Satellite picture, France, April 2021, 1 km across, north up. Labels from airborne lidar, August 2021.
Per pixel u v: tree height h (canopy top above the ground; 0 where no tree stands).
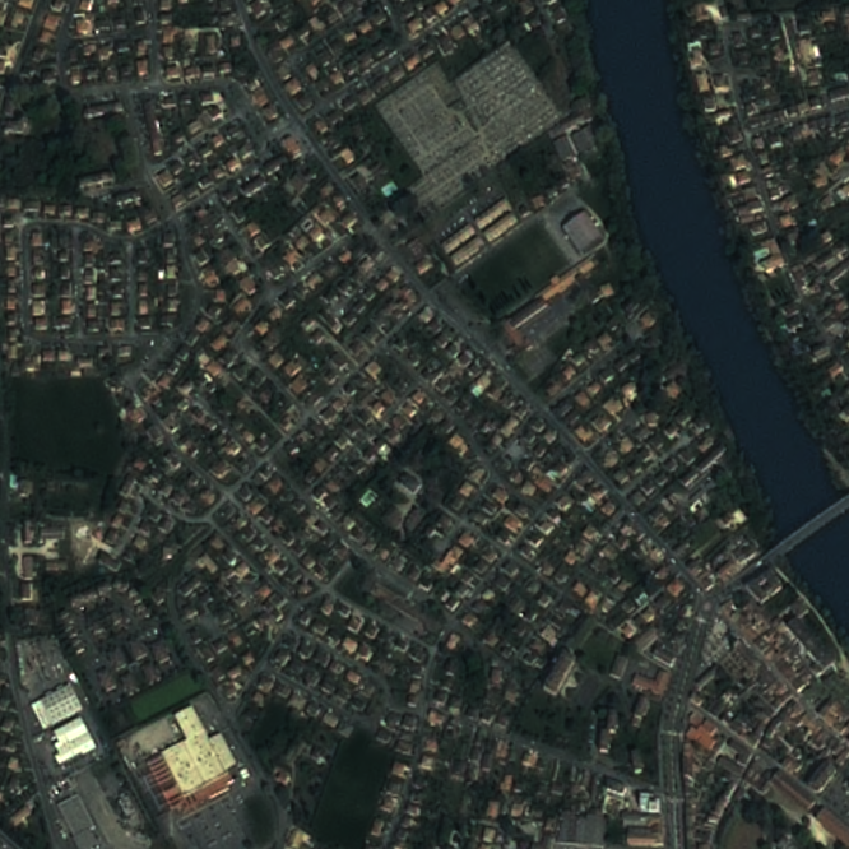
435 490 15
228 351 8
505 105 0
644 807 0
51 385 0
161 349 0
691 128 12
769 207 0
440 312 7
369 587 12
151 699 0
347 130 11
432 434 6
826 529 0
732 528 7
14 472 10
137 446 5
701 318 0
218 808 0
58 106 30
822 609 13
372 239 7
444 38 0
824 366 7
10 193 15
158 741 0
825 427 14
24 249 0
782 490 0
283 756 14
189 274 0
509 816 8
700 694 8
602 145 18
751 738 0
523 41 8
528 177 11
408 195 12
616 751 16
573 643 18
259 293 8
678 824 11
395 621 0
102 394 0
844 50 6
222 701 0
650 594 15
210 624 0
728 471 7
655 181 0
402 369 9
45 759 0
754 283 15
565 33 0
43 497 10
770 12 6
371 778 0
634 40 0
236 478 0
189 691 0
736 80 0
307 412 0
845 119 0
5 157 14
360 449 7
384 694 8
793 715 0
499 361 0
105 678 0
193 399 0
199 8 0
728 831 18
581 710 10
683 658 13
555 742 7
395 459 7
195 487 7
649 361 12
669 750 13
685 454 0
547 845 0
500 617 10
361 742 0
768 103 0
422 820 7
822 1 11
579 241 0
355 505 6
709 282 0
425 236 0
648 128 0
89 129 15
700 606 0
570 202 0
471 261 0
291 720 8
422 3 6
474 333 0
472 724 0
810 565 0
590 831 0
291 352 6
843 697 15
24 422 0
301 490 7
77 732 0
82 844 0
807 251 14
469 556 7
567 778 7
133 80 15
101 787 0
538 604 6
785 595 11
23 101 33
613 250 12
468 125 0
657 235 0
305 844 0
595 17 0
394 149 7
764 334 9
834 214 9
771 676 0
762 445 0
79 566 0
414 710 0
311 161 7
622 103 0
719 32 8
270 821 0
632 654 11
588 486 9
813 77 0
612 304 9
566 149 0
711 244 0
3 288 5
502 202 0
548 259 0
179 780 0
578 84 19
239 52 14
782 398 0
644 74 0
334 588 0
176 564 0
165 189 0
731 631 11
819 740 0
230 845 0
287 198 9
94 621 0
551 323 0
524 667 10
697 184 0
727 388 0
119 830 0
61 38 0
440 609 11
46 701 0
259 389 6
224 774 0
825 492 0
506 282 0
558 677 0
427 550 9
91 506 9
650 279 22
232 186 9
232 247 11
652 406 14
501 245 0
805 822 6
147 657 5
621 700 9
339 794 0
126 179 8
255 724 6
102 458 0
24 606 6
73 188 8
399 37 14
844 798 0
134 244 7
